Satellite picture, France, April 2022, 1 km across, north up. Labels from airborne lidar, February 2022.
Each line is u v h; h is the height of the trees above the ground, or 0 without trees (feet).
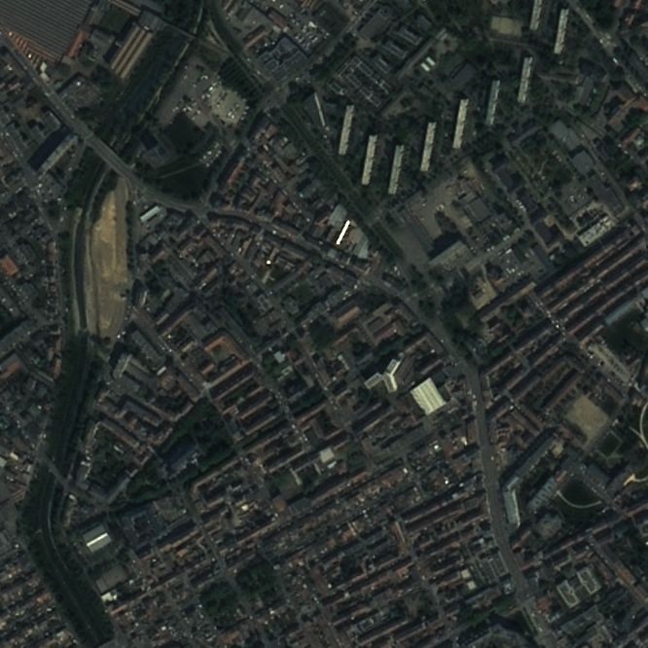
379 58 0
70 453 27
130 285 0
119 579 0
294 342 46
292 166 0
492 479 0
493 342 0
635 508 0
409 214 0
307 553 0
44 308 0
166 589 0
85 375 0
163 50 29
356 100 0
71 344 31
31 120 0
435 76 0
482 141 30
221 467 0
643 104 0
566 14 0
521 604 0
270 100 0
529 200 0
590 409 0
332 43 0
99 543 0
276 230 0
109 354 0
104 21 0
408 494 0
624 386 0
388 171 39
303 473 47
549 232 0
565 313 0
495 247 0
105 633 0
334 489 0
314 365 0
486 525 0
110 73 42
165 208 0
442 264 0
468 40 61
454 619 0
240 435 0
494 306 0
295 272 0
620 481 0
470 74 0
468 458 0
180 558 0
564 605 0
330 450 0
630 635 0
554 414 0
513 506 0
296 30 0
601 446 0
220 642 0
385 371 0
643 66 0
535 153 43
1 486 0
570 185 0
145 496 47
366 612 0
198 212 0
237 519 0
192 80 0
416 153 45
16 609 0
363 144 37
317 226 0
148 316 0
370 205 33
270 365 37
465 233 0
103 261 0
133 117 43
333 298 0
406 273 0
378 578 0
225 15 0
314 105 0
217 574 0
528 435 0
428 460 0
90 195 0
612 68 66
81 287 0
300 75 0
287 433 0
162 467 0
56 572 0
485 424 0
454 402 0
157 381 0
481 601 0
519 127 0
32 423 0
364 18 0
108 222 0
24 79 0
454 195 0
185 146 0
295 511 0
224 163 33
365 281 0
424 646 0
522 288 0
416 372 30
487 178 72
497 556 0
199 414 41
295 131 42
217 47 0
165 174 0
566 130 0
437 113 35
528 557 0
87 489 40
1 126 0
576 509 0
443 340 0
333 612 0
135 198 0
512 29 0
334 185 36
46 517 0
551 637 0
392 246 0
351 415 0
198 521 0
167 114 0
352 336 39
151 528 0
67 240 47
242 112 0
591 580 0
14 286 0
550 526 0
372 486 0
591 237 0
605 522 0
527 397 37
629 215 0
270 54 0
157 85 35
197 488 0
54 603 0
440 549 0
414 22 0
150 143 0
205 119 0
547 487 0
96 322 0
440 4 0
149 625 0
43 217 0
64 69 63
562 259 51
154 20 0
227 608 51
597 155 0
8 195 0
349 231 0
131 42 0
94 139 0
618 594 0
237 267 0
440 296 0
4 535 0
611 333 0
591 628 0
